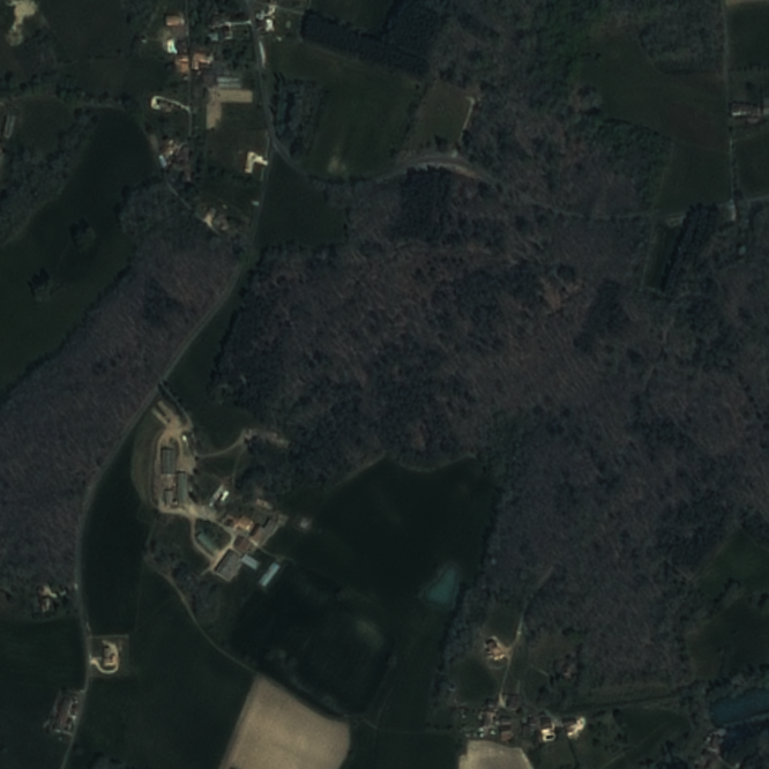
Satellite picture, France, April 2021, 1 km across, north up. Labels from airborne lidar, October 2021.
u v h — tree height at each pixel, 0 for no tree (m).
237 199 0
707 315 27
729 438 16
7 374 0
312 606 0
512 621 0
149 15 11
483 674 0
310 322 15
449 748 0
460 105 0
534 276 0
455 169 0
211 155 7
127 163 0
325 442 27
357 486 0
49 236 0
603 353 14
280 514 0
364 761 0
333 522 0
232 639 0
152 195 22
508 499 21
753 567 0
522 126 18
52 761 0
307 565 0
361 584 0
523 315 0
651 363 10
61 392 11
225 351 17
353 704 0
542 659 0
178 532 0
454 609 0
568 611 21
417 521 0
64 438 15
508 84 11
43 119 0
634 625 17
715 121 0
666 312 18
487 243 24
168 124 15
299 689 0
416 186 16
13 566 14
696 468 21
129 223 18
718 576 0
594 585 20
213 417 0
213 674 0
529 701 0
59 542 19
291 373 14
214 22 0
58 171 23
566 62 14
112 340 12
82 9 0
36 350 0
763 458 12
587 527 22
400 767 0
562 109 18
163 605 0
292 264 21
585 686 19
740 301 18
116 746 0
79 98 13
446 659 18
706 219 17
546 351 11
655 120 0
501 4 16
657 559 16
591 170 13
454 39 16
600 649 15
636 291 13
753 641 0
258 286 15
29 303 0
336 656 0
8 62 0
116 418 15
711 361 19
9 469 19
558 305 0
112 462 0
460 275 9
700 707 22
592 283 13
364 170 0
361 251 19
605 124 10
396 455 22
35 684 0
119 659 0
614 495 27
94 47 0
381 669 0
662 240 0
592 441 20
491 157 19
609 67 0
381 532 0
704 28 16
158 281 15
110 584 0
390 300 13
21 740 0
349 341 13
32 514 16
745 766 11
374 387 18
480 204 13
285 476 10
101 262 0
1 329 0
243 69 12
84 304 0
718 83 0
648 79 0
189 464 0
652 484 19
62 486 14
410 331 11
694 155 0
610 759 0
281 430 15
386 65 20
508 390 16
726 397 12
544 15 21
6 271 0
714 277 17
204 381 0
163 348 10
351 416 28
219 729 0
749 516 14
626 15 19
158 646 0
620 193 14
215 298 16
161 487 0
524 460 22
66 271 0
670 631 18
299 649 0
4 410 19
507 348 12
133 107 21
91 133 9
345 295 11
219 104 0
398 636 0
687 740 8
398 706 0
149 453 0
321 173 0
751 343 14
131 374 10
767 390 13
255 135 0
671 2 15
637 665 18
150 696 0
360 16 0
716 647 0
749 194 0
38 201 16
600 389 13
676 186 0
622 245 16
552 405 16
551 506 18
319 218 0
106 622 0
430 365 25
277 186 0
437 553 0
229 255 14
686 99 0
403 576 0
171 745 0
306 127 10
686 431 17
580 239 18
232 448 0
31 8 0
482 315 29
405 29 20
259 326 14
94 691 0
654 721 0
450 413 20
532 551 22
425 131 0
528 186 14
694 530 21
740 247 6
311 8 0
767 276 21
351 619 0
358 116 0
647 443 22
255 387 13
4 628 0
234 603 0
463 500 0
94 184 0
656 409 17
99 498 0
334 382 11
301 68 0
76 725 0
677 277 17
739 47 0
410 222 17
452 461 27
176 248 12
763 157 0
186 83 6
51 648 0
